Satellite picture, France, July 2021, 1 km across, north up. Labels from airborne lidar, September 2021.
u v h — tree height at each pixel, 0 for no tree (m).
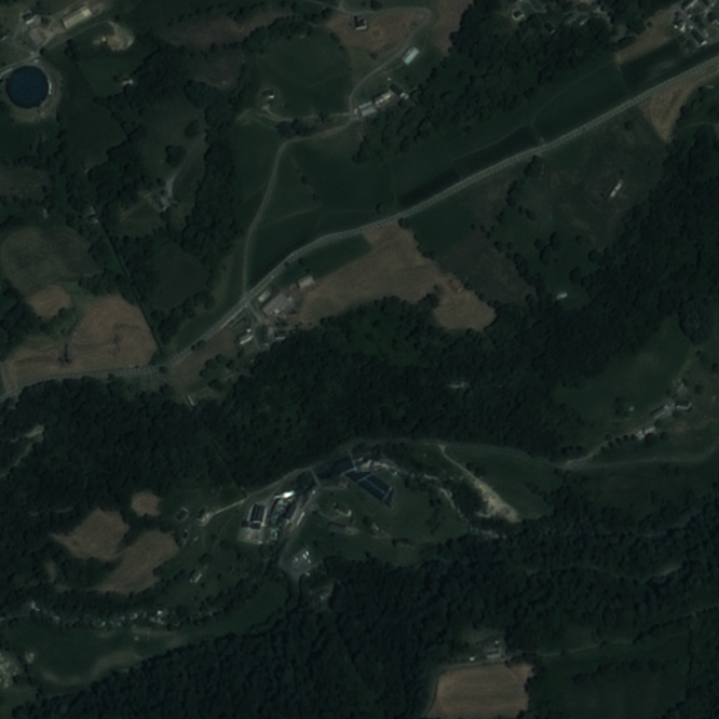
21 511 19
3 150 0
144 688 18
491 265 0
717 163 0
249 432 26
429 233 0
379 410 15
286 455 30
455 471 0
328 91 0
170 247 0
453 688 0
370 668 18
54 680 0
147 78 20
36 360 0
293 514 0
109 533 0
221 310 0
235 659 22
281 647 25
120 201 19
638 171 0
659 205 19
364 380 21
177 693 24
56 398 24
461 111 21
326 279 0
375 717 0
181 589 0
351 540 0
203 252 18
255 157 0
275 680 12
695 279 20
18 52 0
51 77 0
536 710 9
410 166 0
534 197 0
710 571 15
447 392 20
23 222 13
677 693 0
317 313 0
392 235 0
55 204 8
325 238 0
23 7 0
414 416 14
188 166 0
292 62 0
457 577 27
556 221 0
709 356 8
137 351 0
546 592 21
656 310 13
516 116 0
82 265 0
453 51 11
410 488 18
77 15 0
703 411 0
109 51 0
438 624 27
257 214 0
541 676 11
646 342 10
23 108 0
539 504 0
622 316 18
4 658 0
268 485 24
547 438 21
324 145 0
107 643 0
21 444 17
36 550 13
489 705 0
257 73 0
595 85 0
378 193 0
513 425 23
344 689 17
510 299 0
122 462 28
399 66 0
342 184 0
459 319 0
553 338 21
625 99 0
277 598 0
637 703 0
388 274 0
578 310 6
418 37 0
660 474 0
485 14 13
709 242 10
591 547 17
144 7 0
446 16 0
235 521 0
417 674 20
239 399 22
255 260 0
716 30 0
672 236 8
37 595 8
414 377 21
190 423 18
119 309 0
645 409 0
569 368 18
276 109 0
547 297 18
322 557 0
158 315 18
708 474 0
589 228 0
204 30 0
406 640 28
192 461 23
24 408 20
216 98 30
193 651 24
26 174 0
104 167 9
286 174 0
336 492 0
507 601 9
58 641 0
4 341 15
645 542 17
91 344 0
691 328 33
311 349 22
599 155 0
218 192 13
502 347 22
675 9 0
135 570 0
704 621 9
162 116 0
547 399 17
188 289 0
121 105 19
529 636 16
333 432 13
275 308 0
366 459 0
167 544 0
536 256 0
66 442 26
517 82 7
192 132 11
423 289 0
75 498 25
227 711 12
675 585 25
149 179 16
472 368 16
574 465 0
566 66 14
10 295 16
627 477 0
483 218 0
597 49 9
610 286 20
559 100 0
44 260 0
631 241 21
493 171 0
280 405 10
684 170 18
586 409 0
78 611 13
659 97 0
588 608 9
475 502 17
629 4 17
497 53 24
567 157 0
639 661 7
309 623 21
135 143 24
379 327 14
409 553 0
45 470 10
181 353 0
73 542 0
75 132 0
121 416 22
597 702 0
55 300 0
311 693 19
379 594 23
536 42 20
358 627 28
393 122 18
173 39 0
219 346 0
